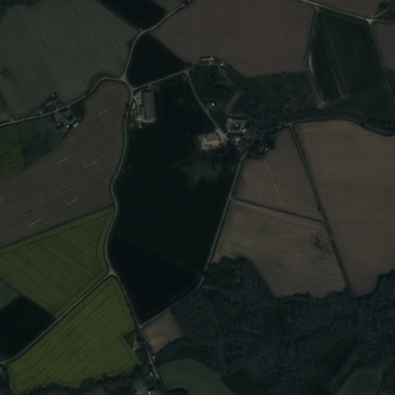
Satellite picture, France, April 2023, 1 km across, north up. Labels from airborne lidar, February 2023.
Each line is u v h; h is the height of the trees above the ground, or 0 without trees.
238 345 14
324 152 0
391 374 6
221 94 0
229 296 7
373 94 0
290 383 19
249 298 19
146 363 0
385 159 0
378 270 0
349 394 0
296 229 0
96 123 0
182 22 0
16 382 0
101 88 0
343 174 0
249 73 0
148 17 0
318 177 0
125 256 0
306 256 0
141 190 0
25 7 0
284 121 9
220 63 7
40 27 0
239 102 0
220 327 0
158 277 0
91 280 0
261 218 0
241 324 9
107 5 0
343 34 0
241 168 0
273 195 0
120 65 0
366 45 0
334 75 0
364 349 17
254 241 0
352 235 0
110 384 24
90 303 0
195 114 0
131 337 10
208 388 0
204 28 0
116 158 0
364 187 0
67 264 0
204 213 0
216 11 0
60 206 0
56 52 0
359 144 0
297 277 0
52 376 0
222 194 0
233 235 0
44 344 0
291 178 0
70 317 0
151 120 0
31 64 0
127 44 0
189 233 0
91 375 0
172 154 0
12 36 0
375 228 0
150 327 0
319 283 0
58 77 0
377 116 0
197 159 0
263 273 0
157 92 0
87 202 0
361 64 0
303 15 0
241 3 0
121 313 0
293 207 0
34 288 0
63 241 0
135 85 0
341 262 0
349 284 0
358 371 0
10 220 0
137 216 0
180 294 0
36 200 0
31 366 0
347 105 0
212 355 11
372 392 0
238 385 0
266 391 7
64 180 0
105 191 0
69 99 0
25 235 0
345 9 0
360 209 0
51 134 0
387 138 0
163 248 0
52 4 0
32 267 0
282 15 0
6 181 0
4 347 0
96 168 0
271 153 0
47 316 0
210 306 27
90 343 0
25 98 0
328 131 0
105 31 0
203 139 0
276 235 0
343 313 9
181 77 0
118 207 0
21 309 0
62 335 0
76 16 0
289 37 0
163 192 0
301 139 0
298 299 10
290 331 11
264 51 0
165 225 0
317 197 0
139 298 0
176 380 0
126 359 0
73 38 0
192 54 0
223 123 0
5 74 0
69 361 0
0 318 0
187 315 29
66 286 0
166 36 0
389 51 0
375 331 27
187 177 0
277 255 0
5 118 0
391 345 33
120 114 0
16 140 0
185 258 0
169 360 0
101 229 0
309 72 0
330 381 12
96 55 0
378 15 0
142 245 0
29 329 0
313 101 6
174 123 0
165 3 0
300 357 18
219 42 0
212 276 0
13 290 0
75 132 0
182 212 0
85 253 0
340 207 0
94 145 0
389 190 0
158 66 0
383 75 15
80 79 0
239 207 0
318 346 21
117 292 0
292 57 0
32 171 0
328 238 0
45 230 0
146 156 0
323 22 0
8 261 0
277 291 0
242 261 10
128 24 0
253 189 0
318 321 19
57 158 0
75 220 0
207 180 0
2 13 14
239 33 0
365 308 17
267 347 14
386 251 0
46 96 0
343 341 0
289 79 0
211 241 0
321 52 0
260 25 0
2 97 0
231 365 17
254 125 14
